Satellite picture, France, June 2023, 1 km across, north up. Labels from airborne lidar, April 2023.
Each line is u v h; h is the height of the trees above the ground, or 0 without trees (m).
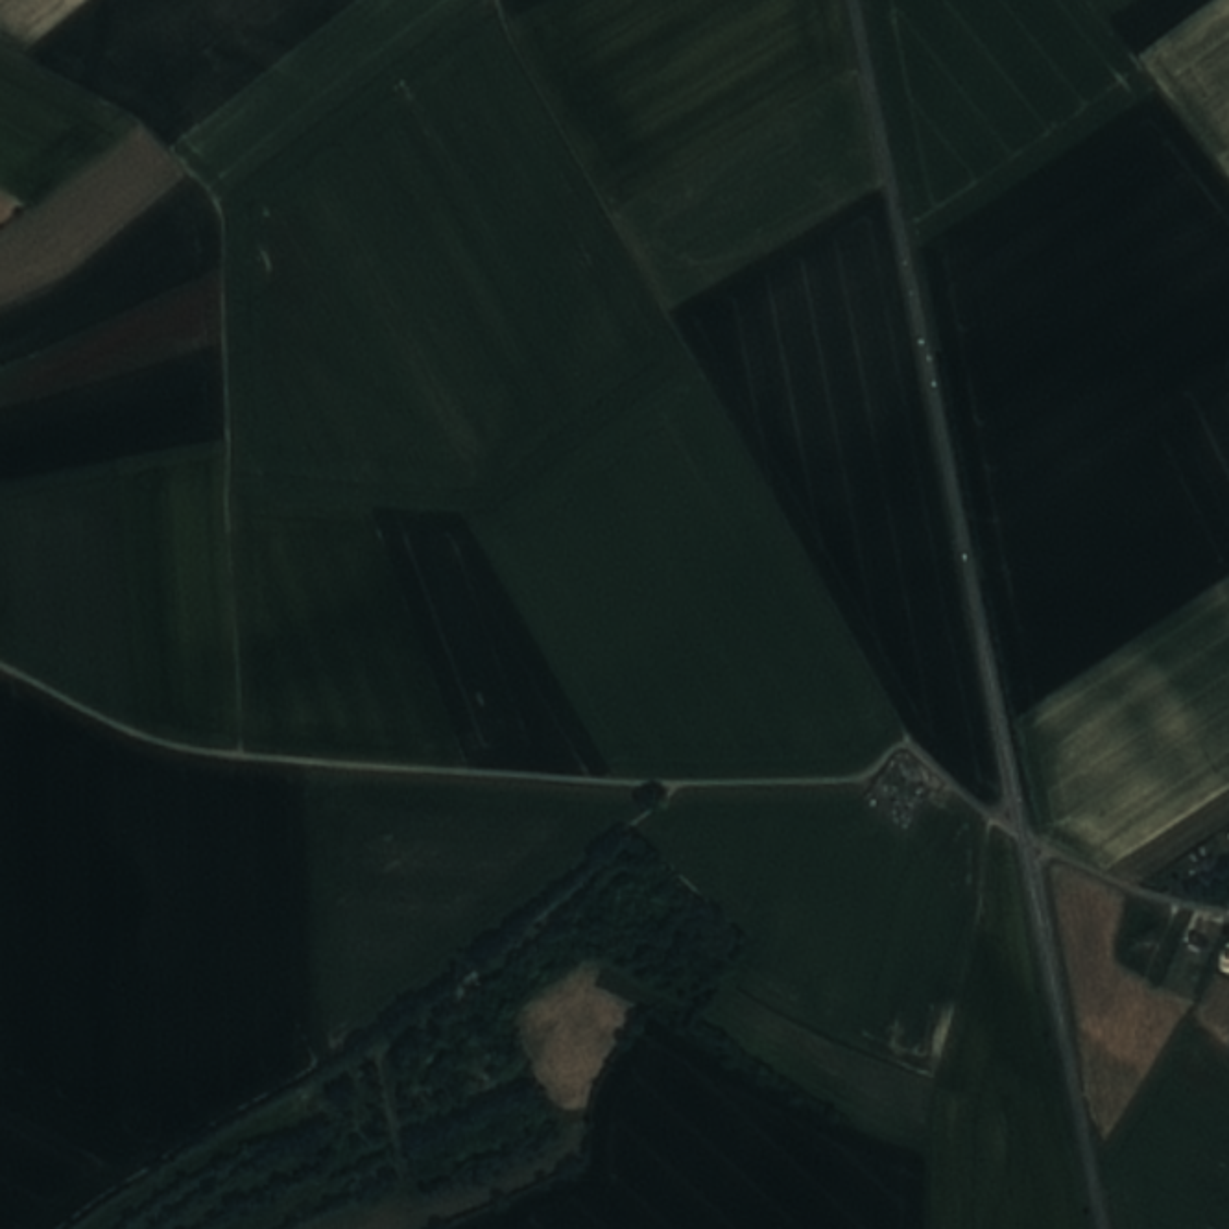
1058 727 0
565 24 0
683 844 0
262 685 0
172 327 0
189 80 0
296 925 0
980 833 0
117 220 0
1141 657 0
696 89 0
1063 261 0
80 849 0
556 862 0
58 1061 0
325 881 0
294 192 0
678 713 0
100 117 0
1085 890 0
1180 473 0
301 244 0
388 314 0
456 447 0
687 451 0
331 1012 0
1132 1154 0
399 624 0
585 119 0
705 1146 0
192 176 0
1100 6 0
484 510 0
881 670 0
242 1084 0
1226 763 0
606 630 0
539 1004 0
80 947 0
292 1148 18
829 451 0
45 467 0
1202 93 0
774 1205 0
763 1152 0
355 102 0
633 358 0
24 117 0
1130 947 0
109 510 0
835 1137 0
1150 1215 0
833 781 0
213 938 0
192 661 0
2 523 0
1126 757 0
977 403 0
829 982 0
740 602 0
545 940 10
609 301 0
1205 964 0
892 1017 0
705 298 0
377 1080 18
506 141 0
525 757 0
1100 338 0
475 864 0
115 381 0
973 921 0
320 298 0
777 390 0
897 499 0
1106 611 0
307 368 0
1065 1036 0
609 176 0
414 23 0
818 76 0
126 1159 0
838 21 0
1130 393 0
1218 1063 0
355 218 0
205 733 0
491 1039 9
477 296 0
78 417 0
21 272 0
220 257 0
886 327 0
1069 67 0
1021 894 0
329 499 0
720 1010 0
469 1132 18
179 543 0
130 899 0
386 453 0
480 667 0
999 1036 0
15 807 0
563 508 0
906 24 0
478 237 0
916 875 0
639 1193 0
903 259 0
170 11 0
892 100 0
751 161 0
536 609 0
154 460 0
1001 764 0
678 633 0
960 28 0
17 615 0
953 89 0
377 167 0
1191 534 0
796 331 0
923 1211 0
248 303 0
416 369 0
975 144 0
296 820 0
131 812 0
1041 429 0
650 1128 0
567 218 0
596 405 0
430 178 0
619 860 16
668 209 0
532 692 0
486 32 0
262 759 0
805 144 0
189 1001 0
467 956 15
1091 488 0
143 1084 0
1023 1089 0
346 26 0
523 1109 17
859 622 0
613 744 0
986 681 0
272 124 0
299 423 0
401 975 0
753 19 0
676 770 0
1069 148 0
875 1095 0
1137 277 0
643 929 20
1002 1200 0
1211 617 0
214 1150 0
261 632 0
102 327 0
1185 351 0
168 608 0
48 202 0
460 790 0
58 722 0
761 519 0
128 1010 0
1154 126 0
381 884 0
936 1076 0
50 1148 0
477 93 0
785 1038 0
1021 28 0
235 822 0
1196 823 0
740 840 0
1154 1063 0
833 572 0
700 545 0
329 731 0
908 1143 0
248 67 0
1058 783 0
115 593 0
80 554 0
